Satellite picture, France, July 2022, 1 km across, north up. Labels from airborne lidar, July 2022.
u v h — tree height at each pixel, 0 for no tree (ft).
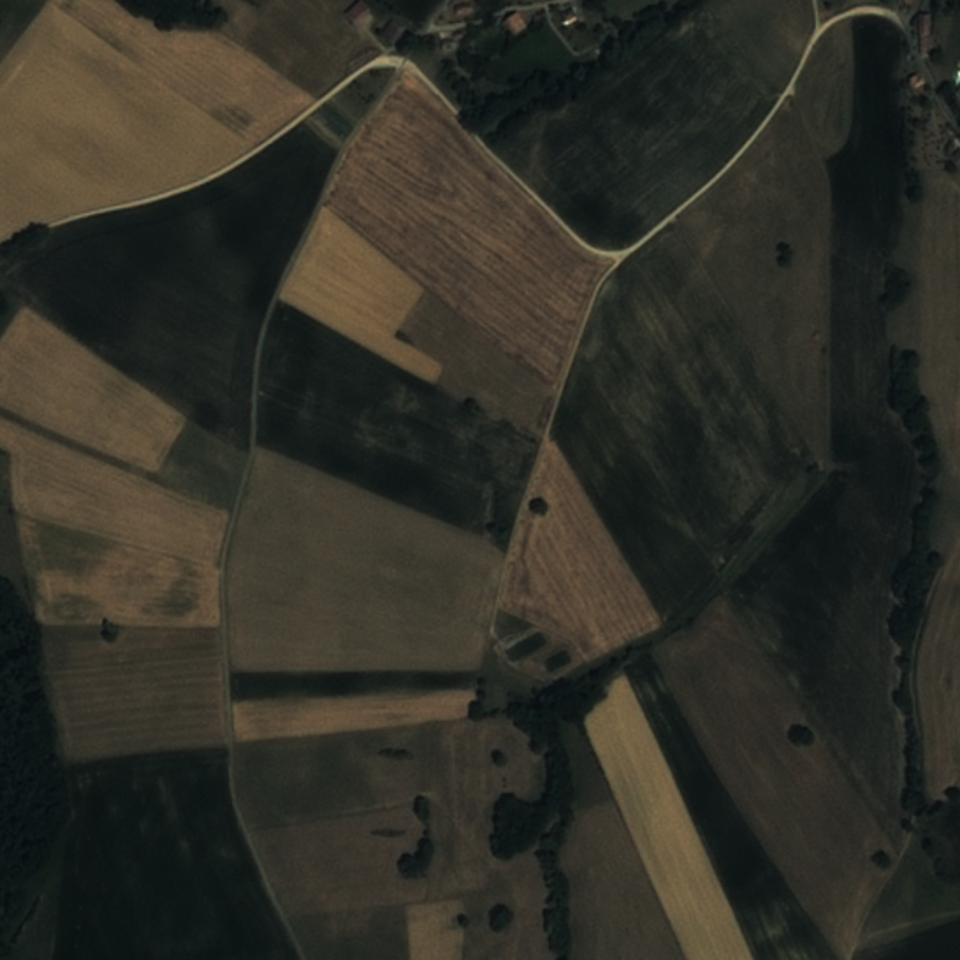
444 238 0
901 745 0
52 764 67
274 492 0
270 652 0
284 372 0
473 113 48
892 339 0
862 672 0
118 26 0
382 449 0
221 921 0
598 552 0
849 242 0
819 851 0
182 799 0
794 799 0
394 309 0
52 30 0
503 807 49
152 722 0
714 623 0
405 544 0
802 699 0
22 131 0
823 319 0
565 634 0
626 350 0
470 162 0
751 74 0
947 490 0
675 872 0
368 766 0
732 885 0
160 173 0
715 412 0
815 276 0
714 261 0
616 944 0
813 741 59
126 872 0
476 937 0
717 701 0
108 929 0
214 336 0
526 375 0
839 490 0
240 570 0
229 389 0
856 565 0
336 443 0
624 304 0
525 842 63
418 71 0
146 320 0
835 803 0
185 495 0
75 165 0
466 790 0
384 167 0
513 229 0
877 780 0
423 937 0
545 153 0
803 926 0
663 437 0
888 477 0
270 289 0
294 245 0
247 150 0
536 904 0
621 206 0
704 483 0
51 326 0
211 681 0
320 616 0
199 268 0
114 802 0
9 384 0
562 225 0
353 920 0
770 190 0
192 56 0
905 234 0
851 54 0
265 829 0
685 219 0
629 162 0
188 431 0
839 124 0
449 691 0
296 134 0
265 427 0
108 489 0
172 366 0
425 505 0
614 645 0
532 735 48
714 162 0
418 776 0
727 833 0
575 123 0
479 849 0
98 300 0
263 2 0
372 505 0
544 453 0
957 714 0
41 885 0
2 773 79
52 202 0
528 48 0
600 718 0
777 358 0
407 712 0
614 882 0
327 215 0
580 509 0
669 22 46
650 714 0
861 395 0
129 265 0
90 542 0
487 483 0
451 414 0
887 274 19
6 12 0
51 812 70
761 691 0
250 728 0
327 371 0
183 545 0
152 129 0
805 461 0
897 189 0
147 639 0
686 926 0
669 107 0
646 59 0
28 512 0
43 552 0
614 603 0
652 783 0
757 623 0
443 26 0
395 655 0
